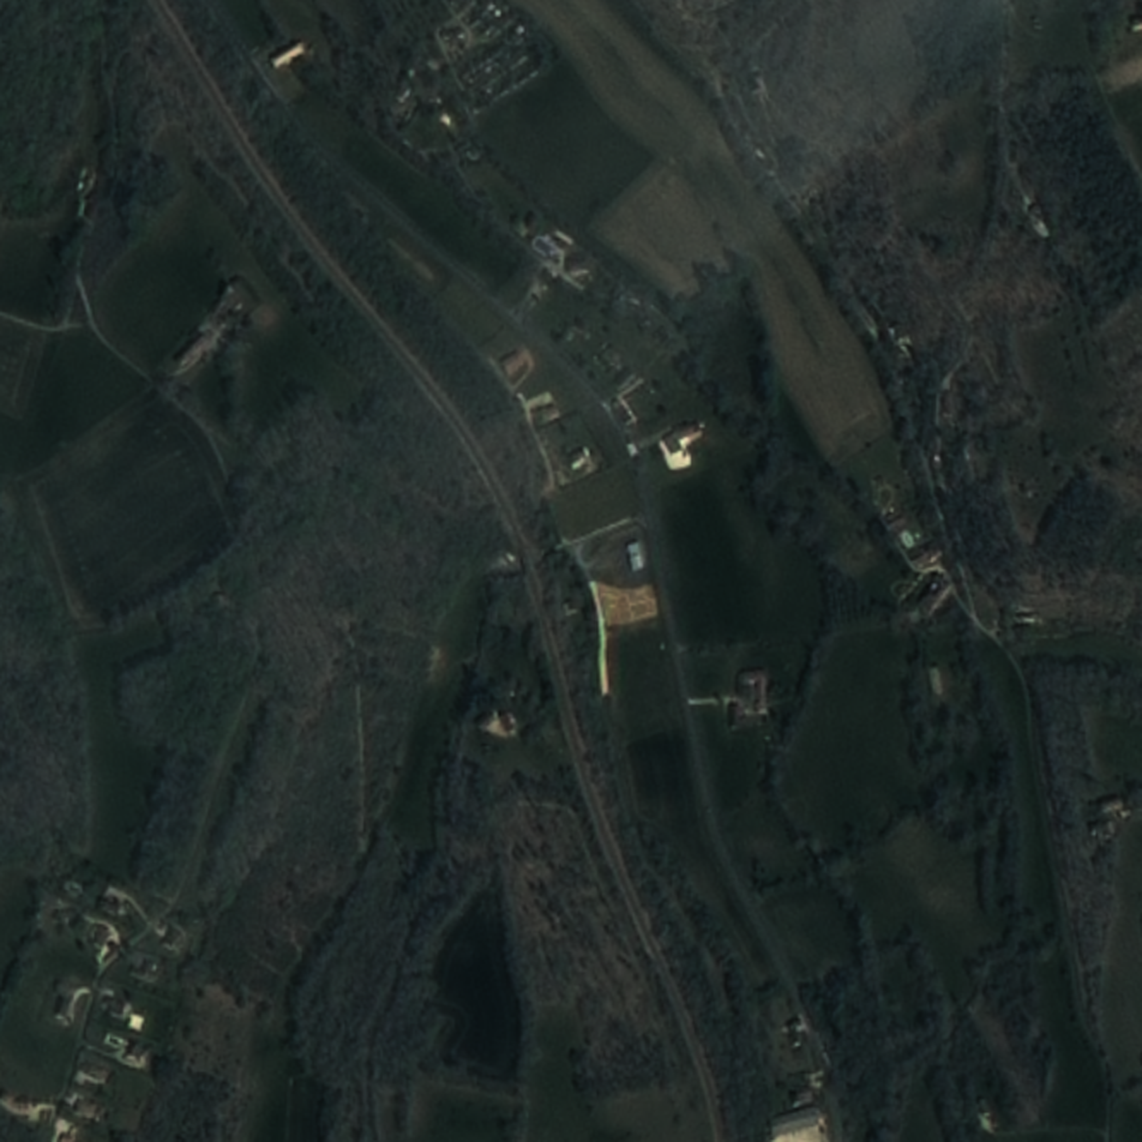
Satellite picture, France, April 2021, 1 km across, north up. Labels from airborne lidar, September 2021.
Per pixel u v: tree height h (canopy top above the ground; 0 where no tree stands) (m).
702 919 16
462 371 13
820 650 13
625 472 0
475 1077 11
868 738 0
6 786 23
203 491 0
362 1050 17
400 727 13
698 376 28
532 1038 13
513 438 10
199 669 21
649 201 0
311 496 20
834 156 7
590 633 10
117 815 0
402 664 8
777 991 7
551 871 11
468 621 0
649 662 0
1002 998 11
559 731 6
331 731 11
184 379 0
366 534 23
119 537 0
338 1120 8
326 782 12
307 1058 20
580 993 16
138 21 9
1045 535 15
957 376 12
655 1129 0
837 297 26
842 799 0
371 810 7
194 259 0
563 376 0
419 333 14
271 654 17
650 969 14
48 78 25
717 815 0
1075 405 0
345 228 12
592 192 0
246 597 19
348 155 0
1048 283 15
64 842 19
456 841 21
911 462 19
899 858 0
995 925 0
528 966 17
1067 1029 0
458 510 14
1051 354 0
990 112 10
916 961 19
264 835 20
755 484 21
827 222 8
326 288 13
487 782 15
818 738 0
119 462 0
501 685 9
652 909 15
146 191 16
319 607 17
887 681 0
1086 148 21
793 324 0
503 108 0
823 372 0
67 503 0
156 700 19
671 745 0
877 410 0
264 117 18
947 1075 13
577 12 0
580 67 0
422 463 17
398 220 0
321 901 7
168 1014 0
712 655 6
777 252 0
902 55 0
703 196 0
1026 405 11
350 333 17
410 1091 19
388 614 16
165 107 10
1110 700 22
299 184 14
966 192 0
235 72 17
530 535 14
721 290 32
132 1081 0
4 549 25
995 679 0
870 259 10
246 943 9
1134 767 0
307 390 0
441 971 0
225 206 7
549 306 0
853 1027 26
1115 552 11
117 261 14
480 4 10
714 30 6
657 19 5
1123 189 17
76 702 16
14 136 19
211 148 11
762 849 0
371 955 21
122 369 0
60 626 18
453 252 0
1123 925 0
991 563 11
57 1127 0
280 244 17
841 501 13
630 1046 16
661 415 7
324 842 10
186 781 18
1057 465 6
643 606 0
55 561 0
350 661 7
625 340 0
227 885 20
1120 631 10
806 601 0
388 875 16
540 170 0
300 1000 23
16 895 0
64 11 25
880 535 13
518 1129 13
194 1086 9
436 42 11
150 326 0
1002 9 15
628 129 0
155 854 16
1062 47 0
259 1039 0
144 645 0
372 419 21
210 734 19
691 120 0
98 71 8
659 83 0
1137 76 0
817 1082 0
